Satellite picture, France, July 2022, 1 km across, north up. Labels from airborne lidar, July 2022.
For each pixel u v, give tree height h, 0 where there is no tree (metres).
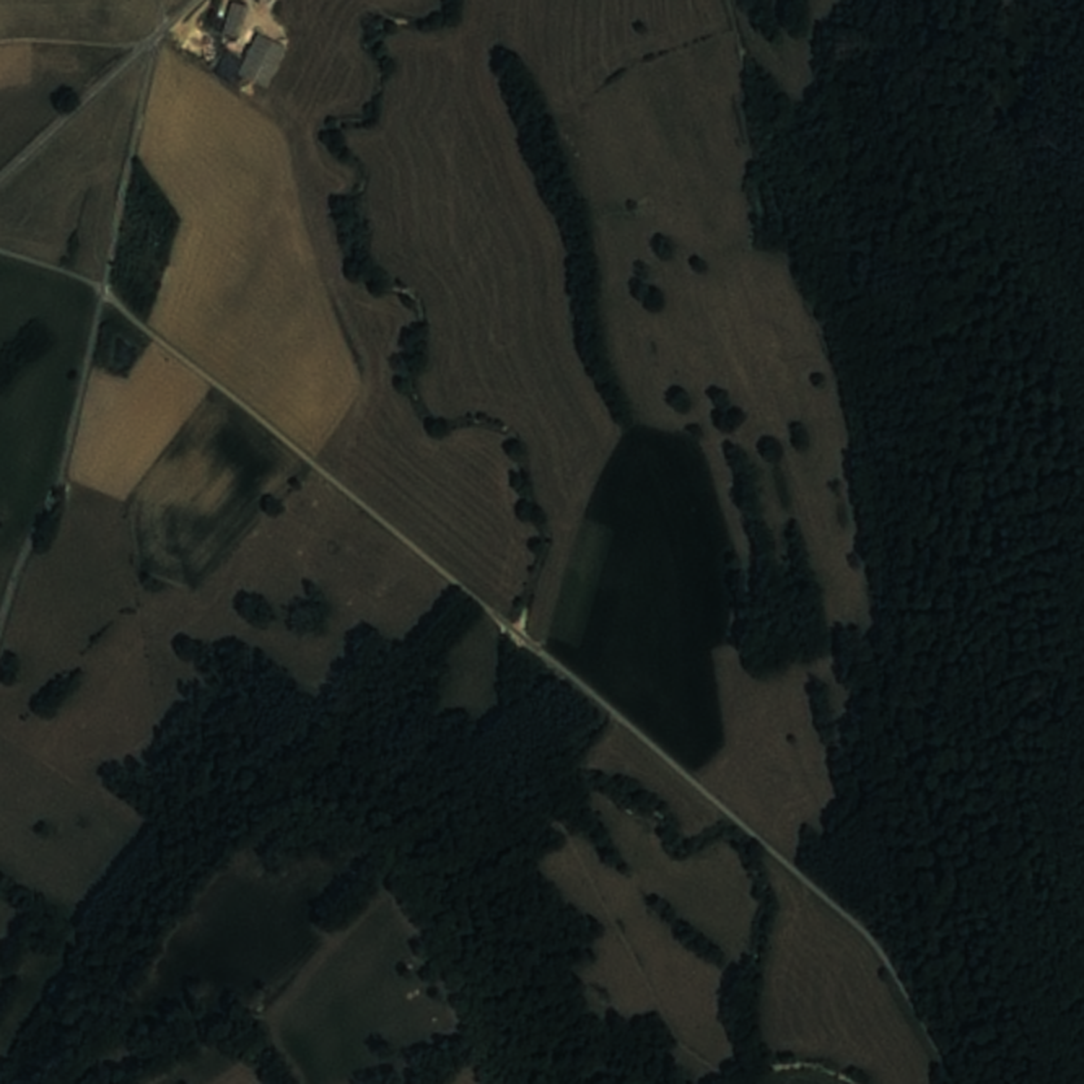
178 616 0
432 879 26
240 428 0
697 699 0
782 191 11
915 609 32
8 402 0
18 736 0
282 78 0
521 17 0
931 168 24
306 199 0
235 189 0
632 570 0
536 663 6
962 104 21
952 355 28
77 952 20
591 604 0
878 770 32
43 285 0
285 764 24
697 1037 0
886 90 25
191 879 17
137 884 16
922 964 27
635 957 0
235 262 0
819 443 0
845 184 15
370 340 0
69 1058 28
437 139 0
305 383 0
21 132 0
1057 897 27
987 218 25
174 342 0
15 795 0
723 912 0
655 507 0
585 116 0
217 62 0
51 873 0
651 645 0
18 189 0
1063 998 26
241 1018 23
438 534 0
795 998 0
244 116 0
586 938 26
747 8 16
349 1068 0
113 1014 21
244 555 0
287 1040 0
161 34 0
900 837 32
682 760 0
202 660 19
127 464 0
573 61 0
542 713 25
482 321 0
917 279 24
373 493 0
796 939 0
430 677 24
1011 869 22
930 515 24
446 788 19
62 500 17
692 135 0
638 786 9
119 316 0
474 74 0
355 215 15
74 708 0
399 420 0
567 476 0
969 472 25
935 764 34
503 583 0
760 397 0
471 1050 15
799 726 0
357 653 21
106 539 0
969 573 33
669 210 0
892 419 18
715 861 0
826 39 15
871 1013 0
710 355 0
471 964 28
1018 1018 30
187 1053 22
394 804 19
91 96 0
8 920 0
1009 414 30
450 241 0
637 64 0
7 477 0
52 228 0
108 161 0
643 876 0
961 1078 26
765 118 12
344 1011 0
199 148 0
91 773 0
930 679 32
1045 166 23
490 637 0
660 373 0
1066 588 29
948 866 39
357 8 0
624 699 0
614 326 0
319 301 0
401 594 0
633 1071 23
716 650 0
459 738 19
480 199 0
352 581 0
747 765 0
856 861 18
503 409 0
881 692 15
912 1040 0
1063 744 23
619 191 0
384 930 0
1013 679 14
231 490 0
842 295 11
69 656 0
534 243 0
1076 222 19
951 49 26
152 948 22
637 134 0
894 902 17
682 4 0
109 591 0
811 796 0
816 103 21
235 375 0
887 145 16
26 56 0
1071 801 23
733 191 0
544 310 0
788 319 0
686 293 0
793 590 18
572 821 21
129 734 0
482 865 21
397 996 0
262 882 0
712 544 0
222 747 23
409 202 0
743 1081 18
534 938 23
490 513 0
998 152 19
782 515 0
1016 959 26
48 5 0
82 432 0
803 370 0
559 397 0
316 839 21
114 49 0
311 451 0
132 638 0
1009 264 12
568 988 29
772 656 18
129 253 6
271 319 0
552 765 26
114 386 0
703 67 0
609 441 0
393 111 0
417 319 0
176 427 0
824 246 9
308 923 0
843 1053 0
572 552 0
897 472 24
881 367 17
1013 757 17
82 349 0
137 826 0
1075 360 15
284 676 21
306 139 0
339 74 0
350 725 14
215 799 20
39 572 0
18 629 0
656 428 0
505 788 26
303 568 0
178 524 0
